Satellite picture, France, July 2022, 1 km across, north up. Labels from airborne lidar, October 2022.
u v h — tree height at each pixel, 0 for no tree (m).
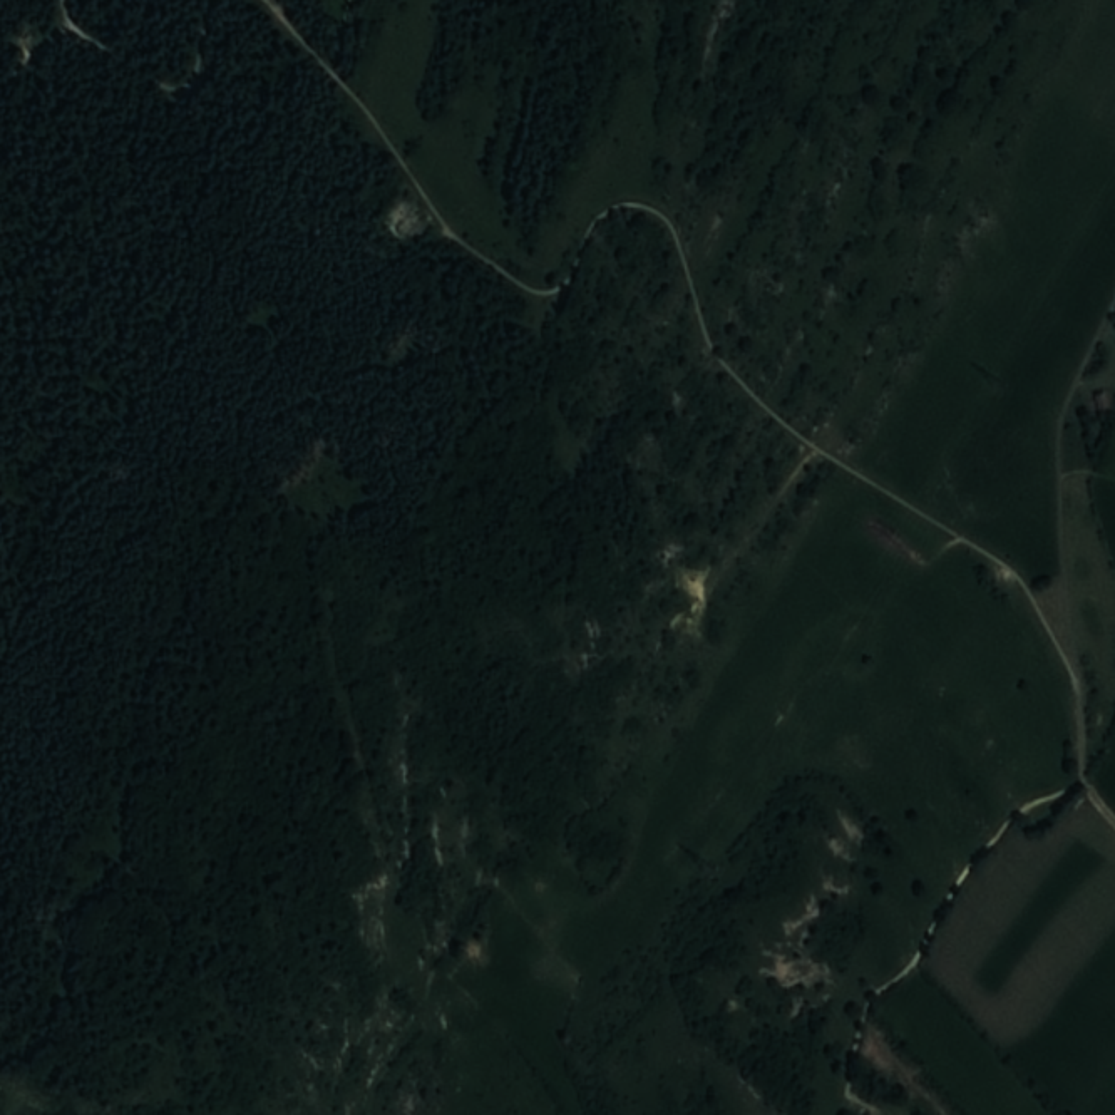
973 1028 7
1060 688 0
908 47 0
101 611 10
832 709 0
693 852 0
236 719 6
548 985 0
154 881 16
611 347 13
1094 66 0
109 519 23
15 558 16
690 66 6
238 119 28
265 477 24
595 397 6
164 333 27
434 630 13
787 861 11
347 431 24
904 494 0
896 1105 11
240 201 26
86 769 16
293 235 26
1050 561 0
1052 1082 0
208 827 7
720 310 0
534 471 5
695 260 0
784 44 18
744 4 6
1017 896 0
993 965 0
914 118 10
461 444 17
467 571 11
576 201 0
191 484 10
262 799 8
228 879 5
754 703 0
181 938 11
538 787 6
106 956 16
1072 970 0
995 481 0
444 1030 0
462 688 5
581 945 0
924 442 0
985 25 0
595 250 10
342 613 9
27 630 21
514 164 17
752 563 0
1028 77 0
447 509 6
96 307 32
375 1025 0
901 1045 6
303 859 12
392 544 18
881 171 14
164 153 26
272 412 26
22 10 26
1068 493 0
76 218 30
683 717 0
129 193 24
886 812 0
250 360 23
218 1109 6
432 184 0
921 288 0
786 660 0
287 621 13
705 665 0
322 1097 0
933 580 0
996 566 0
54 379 18
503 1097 0
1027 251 0
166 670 20
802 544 0
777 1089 6
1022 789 0
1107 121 0
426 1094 14
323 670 6
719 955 7
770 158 0
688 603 0
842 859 0
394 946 0
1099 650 0
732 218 0
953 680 0
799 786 6
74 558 21
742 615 0
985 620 0
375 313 27
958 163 5
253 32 19
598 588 5
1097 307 0
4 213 22
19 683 17
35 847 16
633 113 0
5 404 28
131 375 17
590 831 5
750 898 6
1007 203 0
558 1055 0
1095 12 0
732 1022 6
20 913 18
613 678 6
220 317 23
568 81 6
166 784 7
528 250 5
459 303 21
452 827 0
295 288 26
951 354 0
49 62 24
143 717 20
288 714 16
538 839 6
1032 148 0
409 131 0
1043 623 0
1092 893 0
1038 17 0
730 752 0
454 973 0
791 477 0
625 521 12
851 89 0
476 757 6
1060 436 0
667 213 0
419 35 0
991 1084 0
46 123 31
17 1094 0
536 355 7
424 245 10
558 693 6
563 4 16
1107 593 0
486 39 11
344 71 20
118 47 22
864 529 0
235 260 22
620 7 11
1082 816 0
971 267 0
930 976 6
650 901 0
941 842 0
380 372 23
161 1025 6
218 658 16
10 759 20
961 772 0
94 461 19
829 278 11
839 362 0
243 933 7
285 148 26
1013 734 0
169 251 25
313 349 24
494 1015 0
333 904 6
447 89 20
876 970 0
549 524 10
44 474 23
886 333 0
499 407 18
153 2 15
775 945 0
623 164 0
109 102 28
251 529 7
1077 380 0
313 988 7
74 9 19
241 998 6
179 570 9
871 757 0
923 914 0
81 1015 21
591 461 12
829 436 0
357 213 22
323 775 19
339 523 19
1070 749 8
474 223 0
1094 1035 0
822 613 0
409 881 7
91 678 18
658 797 0
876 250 0
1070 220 0
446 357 22
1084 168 0
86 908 21
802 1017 8
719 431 7
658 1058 0
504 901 0
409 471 20
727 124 12
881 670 0
